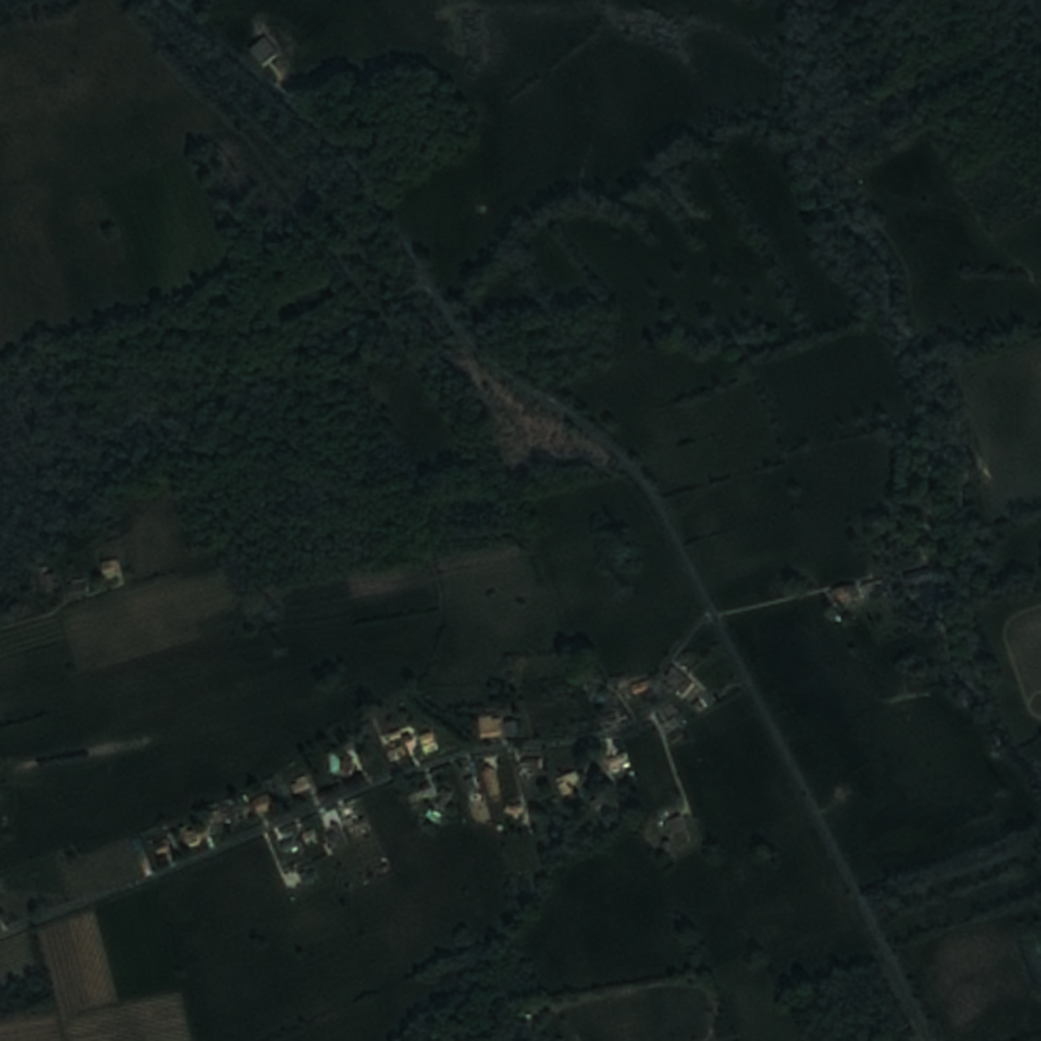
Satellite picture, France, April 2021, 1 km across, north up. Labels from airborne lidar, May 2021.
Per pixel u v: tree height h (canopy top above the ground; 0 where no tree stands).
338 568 14
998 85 19
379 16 0
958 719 0
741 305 0
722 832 0
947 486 22
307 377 17
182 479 20
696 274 0
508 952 14
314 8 0
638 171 0
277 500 18
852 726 0
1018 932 0
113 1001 0
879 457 0
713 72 0
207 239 0
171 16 20
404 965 0
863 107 23
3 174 0
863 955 0
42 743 0
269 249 21
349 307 14
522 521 16
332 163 27
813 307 0
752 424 0
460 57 0
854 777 0
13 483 22
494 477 28
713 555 0
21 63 0
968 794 0
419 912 0
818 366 0
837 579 0
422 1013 14
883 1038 21
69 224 0
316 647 0
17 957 0
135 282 0
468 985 11
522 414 0
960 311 8
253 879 0
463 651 0
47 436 25
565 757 0
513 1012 13
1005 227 8
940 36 21
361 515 21
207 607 0
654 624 0
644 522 0
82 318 0
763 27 0
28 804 0
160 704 0
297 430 22
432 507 20
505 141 0
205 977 0
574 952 0
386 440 26
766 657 0
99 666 0
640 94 0
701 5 0
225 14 0
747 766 0
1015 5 21
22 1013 0
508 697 7
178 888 0
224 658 0
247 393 16
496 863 0
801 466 0
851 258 19
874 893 12
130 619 0
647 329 0
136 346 20
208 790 0
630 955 0
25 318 0
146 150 0
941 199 0
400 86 26
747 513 0
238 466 23
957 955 0
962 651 19
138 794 0
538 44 0
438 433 0
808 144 20
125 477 29
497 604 0
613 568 12
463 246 0
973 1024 0
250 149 9
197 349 21
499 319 25
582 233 0
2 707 0
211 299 11
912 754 0
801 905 0
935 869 14
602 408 0
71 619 0
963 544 25
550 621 0
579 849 15
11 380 12
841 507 0
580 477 11
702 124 0
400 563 16
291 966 0
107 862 0
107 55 0
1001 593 12
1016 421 0
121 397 10
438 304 6
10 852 0
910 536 21
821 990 15
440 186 0
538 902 9
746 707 0
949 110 29
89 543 10
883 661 0
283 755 0
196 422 16
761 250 9
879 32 15
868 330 12
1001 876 14
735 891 0
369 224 21
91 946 0
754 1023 0
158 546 0
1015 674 0
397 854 0
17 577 21
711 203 0
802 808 0
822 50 19
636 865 0
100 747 0
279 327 18
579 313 22
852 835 0
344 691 0
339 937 0
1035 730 0
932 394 14
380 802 0
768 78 0
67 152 0
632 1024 0
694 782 0
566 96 0
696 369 0
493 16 0
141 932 0
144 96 0
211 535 14
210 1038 0
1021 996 0
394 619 0
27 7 28
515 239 22
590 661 22
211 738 0
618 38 0
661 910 0
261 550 20
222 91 20
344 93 28
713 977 20
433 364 23
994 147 18
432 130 26
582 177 0
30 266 0
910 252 0
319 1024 0
